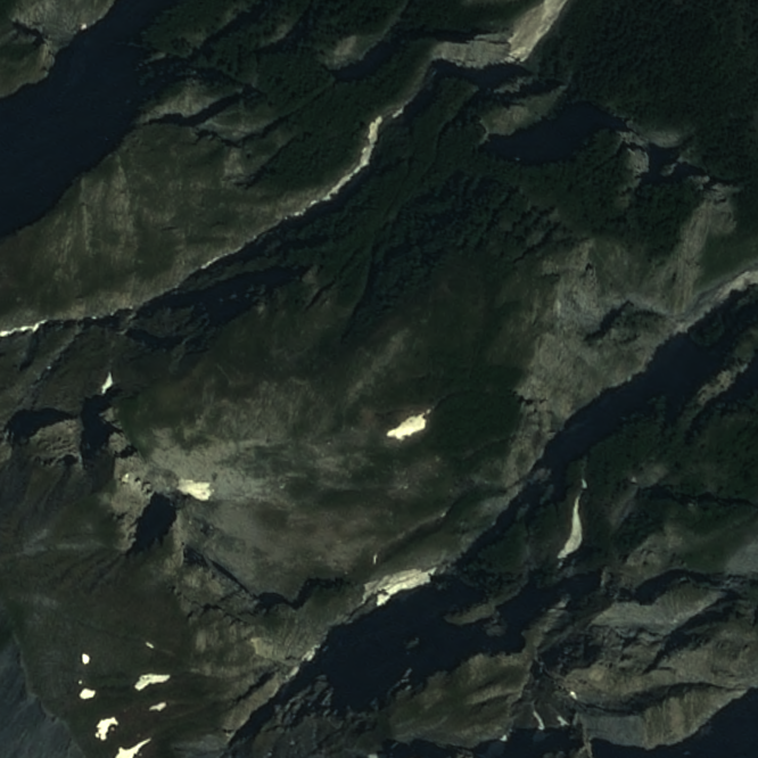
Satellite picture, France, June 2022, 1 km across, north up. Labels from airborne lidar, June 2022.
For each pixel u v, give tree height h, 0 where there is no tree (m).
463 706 0
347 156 9
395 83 8
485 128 50
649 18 17
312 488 0
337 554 0
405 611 0
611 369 0
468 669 0
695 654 0
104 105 8
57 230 0
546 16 6
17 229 19
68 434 0
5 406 0
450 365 6
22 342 0
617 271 0
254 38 12
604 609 0
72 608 0
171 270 0
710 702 0
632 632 0
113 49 0
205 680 0
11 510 0
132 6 8
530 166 48
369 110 12
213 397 0
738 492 11
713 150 15
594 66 18
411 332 0
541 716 0
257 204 0
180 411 0
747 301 11
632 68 20
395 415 0
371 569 0
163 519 0
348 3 14
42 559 0
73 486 0
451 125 18
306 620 0
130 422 0
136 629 0
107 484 0
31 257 0
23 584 0
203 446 0
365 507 0
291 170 8
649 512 6
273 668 0
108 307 0
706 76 10
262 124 0
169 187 0
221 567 0
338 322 0
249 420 0
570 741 0
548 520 5
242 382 0
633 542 8
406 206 6
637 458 6
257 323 0
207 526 0
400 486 0
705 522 6
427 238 7
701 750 0
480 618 0
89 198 0
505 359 0
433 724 0
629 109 10
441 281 0
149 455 0
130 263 0
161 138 0
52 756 0
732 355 9
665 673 0
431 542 0
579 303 0
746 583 7
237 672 0
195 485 0
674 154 7
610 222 16
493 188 15
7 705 0
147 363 0
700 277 0
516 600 0
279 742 0
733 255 0
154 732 0
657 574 0
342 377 0
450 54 0
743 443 8
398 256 8
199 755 0
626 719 0
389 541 0
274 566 0
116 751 0
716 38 11
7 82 0
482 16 9
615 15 12
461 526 7
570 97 7
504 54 0
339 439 0
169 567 0
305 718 0
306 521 0
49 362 0
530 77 23
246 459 0
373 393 0
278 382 0
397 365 0
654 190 9
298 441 0
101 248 0
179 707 0
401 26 10
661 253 9
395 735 0
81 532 0
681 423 21
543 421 0
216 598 0
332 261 7
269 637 0
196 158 0
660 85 11
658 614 0
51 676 0
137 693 0
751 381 12
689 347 0
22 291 0
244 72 15
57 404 0
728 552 0
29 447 0
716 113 8
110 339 0
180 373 0
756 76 7
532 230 16
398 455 0
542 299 0
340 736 0
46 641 0
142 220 0
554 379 0
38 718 0
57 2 0
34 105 0
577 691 0
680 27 17
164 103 11
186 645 0
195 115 0
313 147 9
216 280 0
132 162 0
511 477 0
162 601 0
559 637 0
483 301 0
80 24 0
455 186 9
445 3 8
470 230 8
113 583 0
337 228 6
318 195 0
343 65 0
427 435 0
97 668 0
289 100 9
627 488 11
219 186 0
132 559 0
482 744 0
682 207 19
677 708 0
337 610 0
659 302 0
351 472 0
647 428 7
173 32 9
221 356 0
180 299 0
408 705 0
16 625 0
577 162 24
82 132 0
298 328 0
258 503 0
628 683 0
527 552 0
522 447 0
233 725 0
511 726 0
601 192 7
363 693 0
